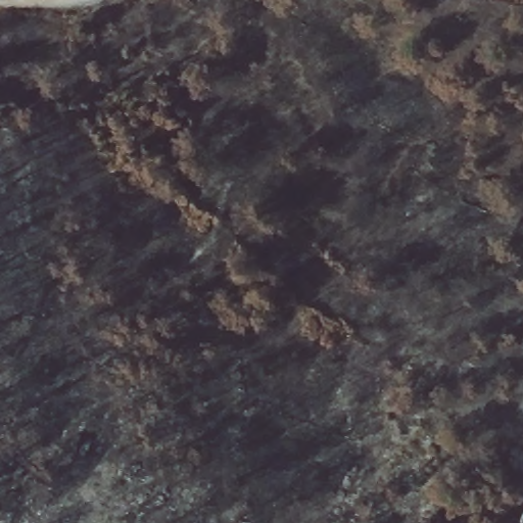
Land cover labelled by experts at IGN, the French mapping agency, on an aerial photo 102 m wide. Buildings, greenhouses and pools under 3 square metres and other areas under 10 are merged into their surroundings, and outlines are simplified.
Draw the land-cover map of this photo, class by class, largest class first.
<instances>
[{"label":"bare soil","instance_id":"1","mask_svg":"<svg viewBox=\"0 0 523 523\"><path fill-rule=\"evenodd\" d=\"M405 6L417 10L415 27L421 31L419 37L423 39V43H435L439 51H454L462 43L466 49L472 51L464 59V65L458 67L454 74L462 78L464 88L472 90L480 102L476 118H496V135H464L460 131V123L466 118V106L462 102H443L439 96L425 88L419 76L382 72L378 53L370 49V45L360 35L353 39L351 35L343 33L341 27L329 18L325 10H306L302 6V0H102L100 4L72 8L0 6V49L6 43L49 39L59 43L57 63L63 65V74L72 80V84L84 80L86 76L92 82H98V72L94 63L102 59L104 67L123 78L116 92H129V84L141 80L143 76H170L190 53H204L208 57L227 53V43L231 41V35L241 43V57L233 65L235 72L225 78V82L208 102L210 108L202 114V123L206 125L204 151L208 157L204 178L200 184H194L190 180L180 190L182 196L176 204L163 202L161 198L147 194L145 188L131 182V176L127 172L110 174L106 159L96 155V147L86 133L61 131L55 127L37 129L35 133H31L27 129L14 127V143H0V523H468V515L447 519L445 509H439V482L433 476L449 466V454H445L439 445L441 437L437 431H441V427H447L454 433V437L470 451V462L458 466L456 476L468 480L472 490L482 488L484 474L501 476L507 492L513 496V503L507 507L505 513H492L488 509H482L478 515V523H523V0H405ZM249 176L264 180V196L268 200L298 217V229L292 235H264L262 241H249L245 245L243 233L237 227L235 204L237 192L245 186V178ZM482 180L503 184L505 198L511 206H515V217L519 219V223L505 249L519 257V268H501V262H496L494 255L488 253L486 231L494 229L498 221L488 210V204L476 198L478 182ZM253 272H268L278 278L276 286L284 290L280 319L268 331L245 329V333H235L223 327L219 323L217 313L210 308V300L217 294L215 286L227 276H249Z\"/></svg>","mask_w":523,"mask_h":523},{"label":"coniferous trees","instance_id":"2","mask_svg":"<svg viewBox=\"0 0 523 523\"><path fill-rule=\"evenodd\" d=\"M302 6L306 10H325L329 18L341 27L343 33L351 35L353 39L360 35L370 45V49L378 53L382 72L419 76L425 88L439 96L443 102H462L466 106V118L460 123V131L464 135H496V118H476L480 102L472 90L464 88L462 78L454 74L458 67L464 65V59L472 51L466 49L462 43L454 51H439L435 43H423V39L419 37L421 31L415 27L417 10L405 6V0H302ZM59 43L49 39L6 43L0 49V143H14V127L27 129L31 133H35L37 129L55 127L61 131L86 133L96 147V155L106 159L110 174L127 172L131 176V182L145 188L147 194L161 198L163 202L176 204L182 196L180 190L190 180L194 184H200L204 178L208 157L204 151L206 125L202 123V114L210 108L208 102L225 82V78L235 72L233 65L241 57V43L231 35V41L227 43V53L208 57L204 53H190L170 76H143L141 80L129 84V92H116L123 78L104 67L102 59L94 63L98 72V82H92L86 76L84 80L72 84V80L63 74V65L57 63ZM237 227L243 233L245 245L249 241H262L264 235H292L298 229V217L268 200L264 196V180L249 176L245 178V186L237 192L235 204ZM476 198L488 204V210L498 221L494 229L486 231L488 253L494 255L496 262H501V268H519V257L505 249L519 223V219L515 217V206H511L505 198L503 184L482 180L478 182ZM278 278L268 272H253L249 276H227L215 286L217 294L210 300V308L217 313L219 323L223 327L235 333H245V329L268 331L280 319L284 290L276 286ZM441 437L439 445L445 454H449V466L433 476L439 482V509H445L447 519L468 515V523H478V515L482 509H488L492 513H505L507 507L513 503V496L507 492L501 476L484 474L482 488L472 490L468 480L456 476L458 466L470 462V451L454 437V433L447 427H441V431H437Z\"/></svg>","mask_w":523,"mask_h":523},{"label":"pervious surface","instance_id":"3","mask_svg":"<svg viewBox=\"0 0 523 523\"><path fill-rule=\"evenodd\" d=\"M102 0H0V6L72 8L100 4Z\"/></svg>","mask_w":523,"mask_h":523}]
</instances>
